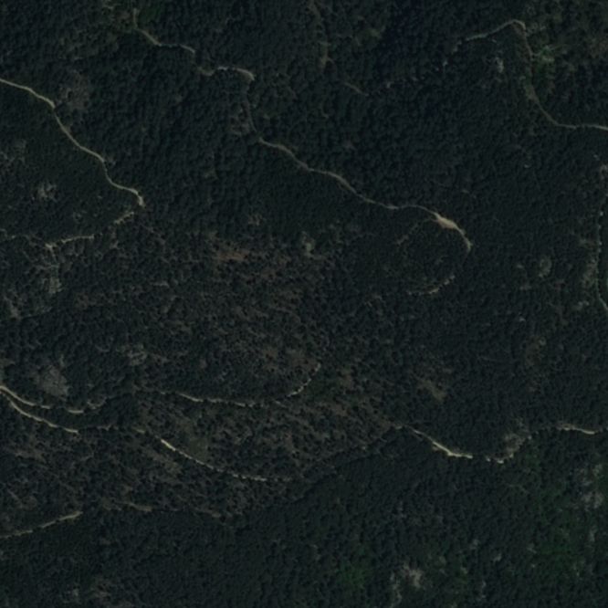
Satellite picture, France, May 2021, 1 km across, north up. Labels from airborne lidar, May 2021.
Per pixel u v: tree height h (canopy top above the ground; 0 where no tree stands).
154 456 0
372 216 14
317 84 36
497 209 20
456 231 11
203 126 21
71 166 8
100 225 7
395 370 25
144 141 32
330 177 7
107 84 25
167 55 32
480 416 23
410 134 27
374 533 28
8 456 19
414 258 11
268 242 30
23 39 25
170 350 23
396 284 14
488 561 17
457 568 9
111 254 17
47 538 10
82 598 9
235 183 24
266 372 28
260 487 24
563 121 15
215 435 29
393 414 26
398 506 14
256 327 30
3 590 18
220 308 33
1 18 19
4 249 22
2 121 20
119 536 28
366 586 10
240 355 20
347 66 34
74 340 24
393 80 33
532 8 8
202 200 19
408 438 25
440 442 6
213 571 34
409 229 14
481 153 16
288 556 29
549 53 9
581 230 17
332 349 35
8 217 18
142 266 17
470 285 19
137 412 28
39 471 26
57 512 9
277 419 29
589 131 10
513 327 20
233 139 27
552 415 20
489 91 16
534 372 18
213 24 25
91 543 11
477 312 13
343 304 27
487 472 24
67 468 30
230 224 13
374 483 29
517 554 27
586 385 22
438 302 20
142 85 21
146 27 23
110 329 22
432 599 7
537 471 25
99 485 30
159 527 25
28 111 14
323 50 30
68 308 21
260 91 32
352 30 23
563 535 17
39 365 16
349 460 33
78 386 23
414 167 27
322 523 17
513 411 22
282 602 22
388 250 14
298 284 35
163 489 29
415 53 34
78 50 18
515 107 17
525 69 10
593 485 13
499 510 21
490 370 23
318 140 33
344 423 34
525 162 19
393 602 11
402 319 20
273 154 14
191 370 25
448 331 25
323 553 30
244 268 33
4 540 12
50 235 12
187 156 22
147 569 30
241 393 24
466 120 21
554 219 15
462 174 25
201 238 21
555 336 15
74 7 17
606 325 14
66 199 17
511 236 16
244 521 31
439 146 29
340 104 32
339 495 33
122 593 28
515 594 9
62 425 22
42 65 22
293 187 17
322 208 13
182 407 20
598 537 20
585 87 37
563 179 20
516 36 8
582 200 16
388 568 12
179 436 30
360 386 30
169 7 32
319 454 32
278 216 10
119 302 22
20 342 19
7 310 24
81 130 19
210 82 30
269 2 28
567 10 9
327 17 31
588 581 10
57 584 15
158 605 32
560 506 29
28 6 22
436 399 26
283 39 25
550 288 19
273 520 33
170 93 23
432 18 29
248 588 28
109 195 10
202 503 28
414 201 26
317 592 9
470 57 27
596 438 8
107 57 15
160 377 25
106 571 29
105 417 26
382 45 21
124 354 11
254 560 33
